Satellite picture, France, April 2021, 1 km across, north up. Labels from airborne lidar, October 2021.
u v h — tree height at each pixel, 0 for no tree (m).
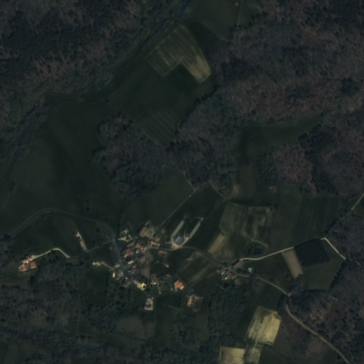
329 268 0
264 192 0
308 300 21
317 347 0
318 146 18
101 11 19
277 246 0
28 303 14
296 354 0
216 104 14
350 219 16
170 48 0
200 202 0
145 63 0
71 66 20
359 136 19
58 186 0
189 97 0
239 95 16
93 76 26
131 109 0
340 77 10
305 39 7
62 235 0
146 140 23
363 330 19
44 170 0
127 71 0
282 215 0
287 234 0
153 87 0
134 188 17
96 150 0
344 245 17
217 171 18
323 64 16
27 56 20
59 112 0
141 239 0
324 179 22
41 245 0
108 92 0
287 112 11
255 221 0
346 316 10
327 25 24
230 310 11
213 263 0
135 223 0
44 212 0
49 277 21
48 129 0
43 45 22
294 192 0
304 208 0
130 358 0
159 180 17
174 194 0
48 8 19
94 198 0
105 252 0
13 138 8
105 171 12
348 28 25
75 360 0
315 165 20
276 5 14
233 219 0
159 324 0
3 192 0
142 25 20
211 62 6
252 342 0
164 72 0
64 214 0
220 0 0
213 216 0
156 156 22
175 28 0
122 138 25
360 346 23
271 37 15
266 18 20
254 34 10
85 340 22
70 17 19
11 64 25
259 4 24
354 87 26
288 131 0
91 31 22
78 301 15
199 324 0
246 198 0
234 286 7
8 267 0
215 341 15
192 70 0
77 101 0
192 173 19
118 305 13
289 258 0
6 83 24
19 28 17
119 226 6
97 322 19
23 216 0
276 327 0
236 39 12
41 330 5
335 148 8
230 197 0
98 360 15
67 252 0
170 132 0
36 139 0
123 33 19
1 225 0
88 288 0
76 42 20
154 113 0
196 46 0
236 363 0
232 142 18
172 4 17
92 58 11
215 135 22
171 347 11
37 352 0
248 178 0
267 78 17
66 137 0
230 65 6
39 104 14
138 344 0
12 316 10
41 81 15
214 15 0
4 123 7
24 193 0
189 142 13
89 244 0
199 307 9
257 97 14
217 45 7
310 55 20
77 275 15
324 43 22
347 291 14
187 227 0
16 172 0
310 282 0
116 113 0
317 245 12
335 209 0
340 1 22
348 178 10
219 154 17
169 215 0
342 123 8
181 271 0
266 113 16
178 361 19
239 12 0
